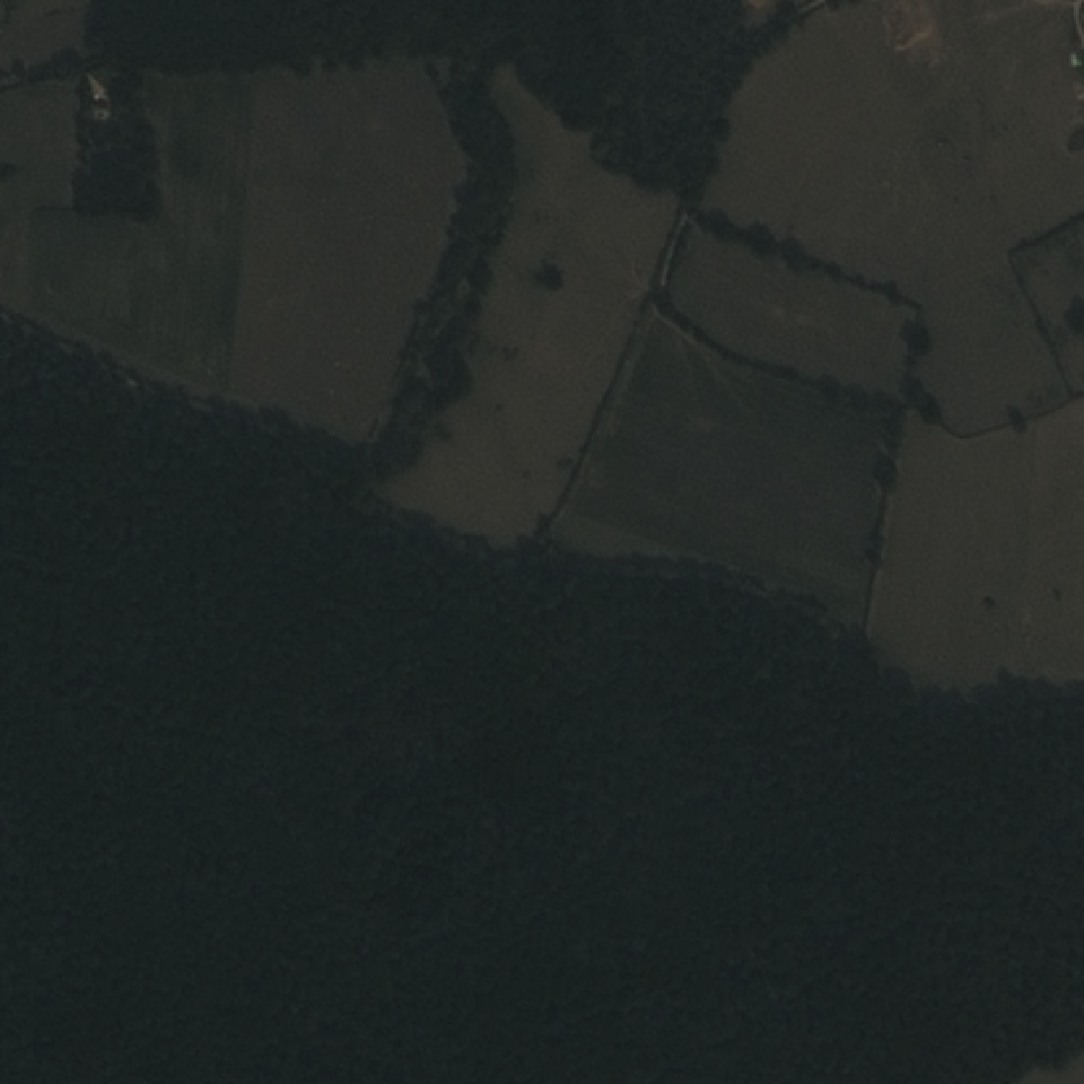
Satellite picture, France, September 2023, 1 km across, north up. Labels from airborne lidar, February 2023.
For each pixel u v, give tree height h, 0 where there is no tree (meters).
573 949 28
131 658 28
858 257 0
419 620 26
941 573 0
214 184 0
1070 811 26
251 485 30
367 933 26
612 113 18
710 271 0
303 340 0
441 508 0
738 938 28
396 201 0
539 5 19
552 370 0
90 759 31
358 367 0
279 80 0
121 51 22
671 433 0
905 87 0
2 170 10
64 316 0
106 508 29
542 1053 33
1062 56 0
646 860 25
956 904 33
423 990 26
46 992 30
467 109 20
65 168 0
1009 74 0
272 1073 32
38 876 27
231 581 34
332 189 0
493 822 23
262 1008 28
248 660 35
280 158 0
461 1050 34
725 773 23
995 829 31
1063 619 0
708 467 0
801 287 0
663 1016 33
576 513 0
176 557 25
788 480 0
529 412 0
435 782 31
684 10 20
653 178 21
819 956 30
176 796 24
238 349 0
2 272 0
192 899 33
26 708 30
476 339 0
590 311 0
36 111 0
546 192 0
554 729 23
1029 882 32
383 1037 29
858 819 34
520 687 29
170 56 19
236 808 31
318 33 24
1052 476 0
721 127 16
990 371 0
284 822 37
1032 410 0
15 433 31
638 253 0
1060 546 0
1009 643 0
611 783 25
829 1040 30
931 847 33
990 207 0
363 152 0
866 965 34
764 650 32
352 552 27
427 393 20
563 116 22
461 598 30
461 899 22
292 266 0
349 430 0
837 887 31
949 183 0
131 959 33
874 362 0
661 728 26
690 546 0
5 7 0
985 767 30
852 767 24
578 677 25
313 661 23
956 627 0
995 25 0
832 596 0
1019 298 0
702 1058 32
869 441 0
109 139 10
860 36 0
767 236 14
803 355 0
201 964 32
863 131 0
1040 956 35
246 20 24
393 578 32
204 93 0
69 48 0
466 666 30
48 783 33
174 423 29
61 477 31
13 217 0
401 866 14
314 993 28
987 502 0
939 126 0
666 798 27
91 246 0
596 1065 31
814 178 0
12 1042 24
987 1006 32
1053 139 0
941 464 0
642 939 31
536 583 28
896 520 0
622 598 25
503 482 0
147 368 0
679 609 30
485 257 7
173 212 0
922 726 32
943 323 0
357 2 25
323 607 24
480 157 16
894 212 0
